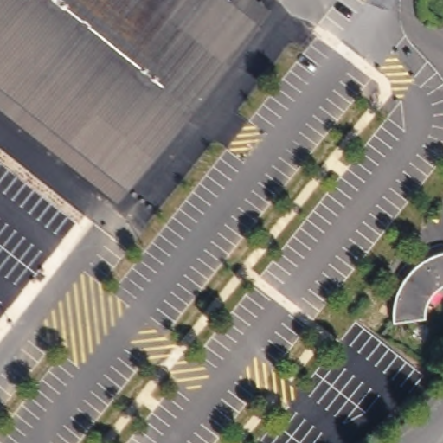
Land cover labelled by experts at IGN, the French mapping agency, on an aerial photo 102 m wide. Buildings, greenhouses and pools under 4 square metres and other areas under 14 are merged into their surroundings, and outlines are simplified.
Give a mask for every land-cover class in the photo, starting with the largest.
<instances>
[{"label":"impervious surface","instance_id":"1","mask_svg":"<svg viewBox=\"0 0 443 443\"><path fill-rule=\"evenodd\" d=\"M260 3V24L254 26L253 33L247 36L241 48L230 55V67L227 73L223 74L216 90L206 95L196 114L190 116L189 125L171 140V144L161 152V156L157 157L151 168L145 171L144 177L140 178L132 189L126 190V196L121 201L112 199L104 190L97 189L87 178L81 177L78 171H74L69 164L48 151L45 145L40 144L28 132H24L21 126H17L0 111V412L7 410L10 417L16 421L14 433L0 436V443H123L119 440L118 433L130 424V419L128 415H123L114 427L99 422L102 415L106 414L107 408L112 405L123 396L126 384L137 374L138 365L151 360L157 367L156 377L149 381L135 400L138 407L149 408L145 417L147 431L144 434H132L125 443H220V434L225 427L235 421L234 415L244 412L247 403L256 398H265L266 405L275 410L282 403V407L289 408L291 414V424L284 433L280 436H265L263 440L256 438L260 443H369L370 436H377L379 440L388 438L389 429L386 426L401 427L403 438L400 443H443V400L427 398L429 389L421 384V369L414 356L396 350L395 346L377 336V332H363L356 325L348 334L344 332L337 336L336 329L327 320H318L325 305V299L331 298L334 292L343 289L344 280L350 279L355 273V266L358 268L365 263L372 266V260L377 254H372V251L377 242L381 241L382 234L386 230L398 232L405 239L410 237L426 242L429 256L443 253V201L438 209V215L426 220L424 225L417 228L412 221L401 220V211L407 208L410 202L408 199L414 196L415 190H421L422 187V183L429 180L434 170L443 177V28L431 31L419 17L415 16V10H419V0H256ZM277 71L280 76L279 95H266L260 106L256 107V111L249 118H244L241 114L242 104L258 88L261 76ZM363 95L369 99V109L358 119L355 126L358 135L374 119V112L379 109L384 112L386 118L382 119L379 128L367 138L365 144V161L353 166L343 163V151L339 149L332 152L325 164L327 170L337 173L336 192H325L324 196L320 197V201L306 215L305 221L292 232L284 246H280L275 237L282 234V230L296 218V213L289 211L282 216L270 230L273 237L265 249H254L244 265L234 263L232 272L235 273V277L228 280L223 291L209 289V282L221 268L220 261L225 256L232 258L235 247L246 241L249 235L265 227L261 216L265 215L266 209L272 208L273 201L289 196L286 185L301 171L299 166L311 156V152L317 151L318 145L322 144V140L329 132L324 128L327 119L341 123L355 99ZM213 144L225 147L216 157L215 163L204 171L199 182L194 183L182 204L166 218L161 230L154 234L151 241L142 249L135 246V241L144 232L145 225L157 213H161V206L166 199L177 190L178 185H182L189 171L199 161V157ZM279 247H282V258L279 261H270L263 272H254V265L263 258L266 249ZM247 279L253 280L256 289L251 294L246 292L230 311L234 320L232 329L227 334H211L204 343L206 362L194 365L187 362L183 353L190 344L196 343V334L204 331V327L208 325L209 315L213 311L225 308L223 301L232 296V292L239 284L246 282ZM194 303L204 315L197 320L192 329L190 325L180 324V320L187 308ZM310 329L317 331L318 339L329 344L331 348L344 344L346 363L339 369H317L311 372L313 389L301 391L294 388L296 377L279 376L273 365L282 360L286 362L289 350L301 341L299 336ZM61 344L71 350V356L59 367L50 365L45 360L47 351ZM29 377L38 381L40 388L38 398L33 401H26L16 393L17 384H21ZM171 379L177 382V398H154L157 386L166 384ZM424 401L429 403L431 419L426 426H410L405 422V415L410 408ZM318 180H310L303 192L296 197V204L303 206L317 189Z\"/></svg>","mask_w":443,"mask_h":443},{"label":"building","instance_id":"2","mask_svg":"<svg viewBox=\"0 0 443 443\"><path fill-rule=\"evenodd\" d=\"M260 24V3L256 0H0V111L17 126H21L24 132H28L40 144L45 145L48 151L69 164L74 171H78L81 177L87 178L97 189L104 190L112 199L121 201L126 196V190L132 189L140 178L144 177L145 171L151 168L157 157L161 156V152L171 144V140L189 125L190 116L196 114L206 95L216 90L223 74L227 73L230 67V55L241 48L247 36L253 33L254 26ZM443 299V253L429 256L414 266L405 275V279L401 280L393 301V325H407L426 322L429 311L440 305Z\"/></svg>","mask_w":443,"mask_h":443},{"label":"deciduous trees","instance_id":"3","mask_svg":"<svg viewBox=\"0 0 443 443\"><path fill-rule=\"evenodd\" d=\"M415 16L419 17L431 31L443 28V0H419V10H415ZM258 88L266 95H279L280 76L277 71L261 76ZM324 128L329 132L336 138L339 149L343 151V163L353 166L365 161V144L358 135L355 126L341 123L327 119ZM301 171L310 180H318L317 189L303 206L296 204V201L289 196L273 201L272 208L279 211L282 216L289 211L296 213V218L282 230V234L275 237L280 246H284L292 232L305 221L306 215L320 201V197L324 196L325 192H336L337 173L327 170L325 164L318 163L315 157L311 156L299 166ZM410 202L426 220L438 215V209L443 201V199L427 196L422 187L421 190H415L414 196L408 199ZM273 237L270 230L265 227L249 235L246 241L247 246L254 249H265ZM391 247L398 253L401 261L414 266L429 256L426 242L410 237L405 239L398 232L395 241L391 242ZM282 258V247H279L266 249L263 258L254 265V272H263L270 261H279ZM372 266L365 263L358 268L355 266V273L350 279L344 280L343 289L334 292L331 298L325 299V305L334 311L348 308V313L356 318L358 308L369 306V298L365 291L369 287H372L377 298H381L384 303L388 299L393 301L401 280L396 277V272H391V268H388L381 270L376 282L369 286L363 277L370 272ZM234 320L230 311L225 308L213 311L209 315L208 325L204 327V331L196 334V343L190 344L183 353L187 362L194 365L206 362L204 343L211 334H227L232 329ZM301 341L289 350L286 362L282 360L273 365L279 376L296 377L294 388L301 391L313 389L311 372L317 369H339L346 363L344 344L331 348L329 344L318 339L317 331L310 329L299 336ZM433 363L427 369L433 374H440L441 381L433 382L429 389L427 398L443 400V331L440 336L434 337L431 344ZM71 356V350L61 344L47 351L45 360L50 365L59 367ZM157 367L151 360L138 365L137 374L149 381L156 377ZM16 393L26 401H33L38 398L40 388L38 381L29 377L21 384H17ZM154 398H177V382L171 379L166 384L157 386ZM112 405L123 415H128L130 419H137L140 414L138 407L135 400L130 396H123ZM235 421L225 427L220 434V443H260L256 438L263 440L265 436H280L284 433L291 424V414L289 408L282 407V403L275 410L266 405L265 398H256L247 403L244 412L234 415ZM431 419L429 403L424 401L410 408L405 415V422L410 426H426ZM16 421L10 417L7 410L0 412V436L14 433ZM389 429L388 438L379 440L377 436H370L369 443H400L403 438L401 427L386 426Z\"/></svg>","mask_w":443,"mask_h":443},{"label":"herbaceous vegetation","instance_id":"4","mask_svg":"<svg viewBox=\"0 0 443 443\"><path fill-rule=\"evenodd\" d=\"M266 95L258 88L242 104L241 114L244 118H249L256 111V107L260 106ZM369 109V99L363 95L355 99L341 123L355 126L358 119ZM386 118L384 112L379 109L374 112V119L358 135L365 144L367 138L379 128L382 119ZM336 138L329 132L322 140V144L318 145L317 151L311 152V156L315 157L318 163L325 164L332 152L339 149ZM225 147L213 144L199 157V161L189 171L182 185H178L177 190L166 199L161 206V213H157L145 225L144 232L135 241V246L142 249L151 241L154 234L161 230L166 218L182 204L194 183L199 182L204 171L215 163L216 157ZM310 180L301 171L286 185L289 196L296 201V197L303 192ZM265 227L270 230L282 216L279 211L272 208L266 209L265 215L261 216ZM398 232L386 230L382 234L381 241L377 242L372 251V254H377L372 260V266L370 272L363 277L369 286L376 282L381 270L388 268H391V272H396V277L401 280L405 279V275L414 266L401 261L398 253L391 247V242L395 241ZM254 249L247 246L246 241L235 247L232 258L225 256L220 261L221 268L209 282V289L223 291L228 280L235 277V273L232 272L234 263L244 265ZM256 289L253 280L247 279L246 282L239 284L232 292V296L223 301L225 308L230 311L246 292L251 294ZM369 298V306L358 308L356 318L348 313V308L334 311L325 305L318 320H327L336 329L337 336L344 332L348 334L356 325L363 332H377V336L395 346L396 350L414 356L421 369V384L429 389L433 382L441 381L440 374H433L427 369L433 363L431 344L434 337L440 336L443 331V299L440 305L429 311L426 322L407 325H393V301L388 299L384 303L381 298H377L372 287H369L365 291ZM204 315L194 303L187 308L180 320V324L190 325L192 329L197 320ZM149 381L137 374L126 384L123 396H130L135 400ZM123 415L112 405L107 408L106 414L102 415L99 422L114 427ZM140 414L137 419H130V424L118 433L119 440L123 443H125L132 434H144L147 431L145 417L149 408L138 407Z\"/></svg>","mask_w":443,"mask_h":443},{"label":"agricultural land","instance_id":"5","mask_svg":"<svg viewBox=\"0 0 443 443\"><path fill-rule=\"evenodd\" d=\"M422 187L427 196L443 199V177L434 170L429 180L422 183ZM401 220L412 221L417 228L424 225L426 220L410 202L407 208L401 211Z\"/></svg>","mask_w":443,"mask_h":443}]
</instances>
